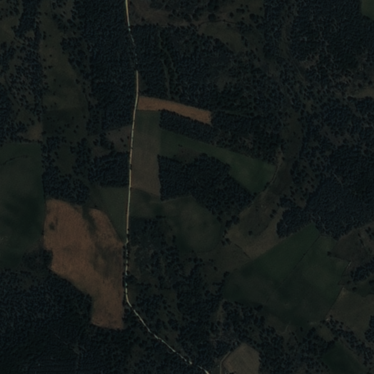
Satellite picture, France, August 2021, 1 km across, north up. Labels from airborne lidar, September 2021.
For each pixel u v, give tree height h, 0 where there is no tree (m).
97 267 0
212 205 14
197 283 14
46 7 0
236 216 8
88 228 0
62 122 0
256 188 0
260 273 0
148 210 0
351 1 10
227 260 0
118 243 0
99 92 15
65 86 0
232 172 0
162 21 0
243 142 8
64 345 13
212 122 10
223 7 0
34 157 0
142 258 0
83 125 0
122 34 15
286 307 0
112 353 8
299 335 0
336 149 7
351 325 0
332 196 15
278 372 15
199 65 12
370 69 0
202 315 17
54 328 12
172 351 14
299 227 15
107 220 0
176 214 0
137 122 0
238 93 11
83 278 0
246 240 0
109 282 0
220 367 0
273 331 18
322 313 0
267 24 16
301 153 13
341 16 13
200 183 20
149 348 10
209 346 15
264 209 0
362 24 11
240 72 9
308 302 0
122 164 17
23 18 14
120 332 12
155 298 15
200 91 17
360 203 15
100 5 16
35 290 7
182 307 20
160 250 0
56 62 0
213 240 0
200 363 17
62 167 0
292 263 0
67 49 16
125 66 16
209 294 8
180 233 0
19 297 10
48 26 0
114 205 0
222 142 11
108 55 16
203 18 0
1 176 0
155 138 0
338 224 16
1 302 11
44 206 0
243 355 0
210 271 0
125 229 0
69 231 0
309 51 8
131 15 0
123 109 14
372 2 0
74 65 14
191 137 12
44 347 13
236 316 11
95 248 0
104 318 0
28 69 11
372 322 12
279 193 0
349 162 17
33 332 12
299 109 16
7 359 13
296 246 0
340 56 14
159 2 0
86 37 17
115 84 15
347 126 16
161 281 19
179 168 14
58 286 12
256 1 0
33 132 0
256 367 0
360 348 14
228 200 17
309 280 0
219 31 0
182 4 12
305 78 0
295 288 0
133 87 15
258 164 0
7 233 0
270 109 11
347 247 0
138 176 0
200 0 9
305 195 11
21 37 10
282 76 10
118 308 0
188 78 15
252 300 0
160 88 14
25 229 0
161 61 9
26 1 17
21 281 7
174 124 13
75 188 8
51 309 20
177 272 9
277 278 0
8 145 0
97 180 14
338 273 0
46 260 10
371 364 8
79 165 15
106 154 0
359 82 0
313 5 8
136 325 19
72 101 0
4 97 15
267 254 0
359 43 13
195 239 0
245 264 0
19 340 16
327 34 11
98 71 14
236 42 0
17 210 0
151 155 0
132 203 0
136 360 0
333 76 12
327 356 0
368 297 0
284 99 8
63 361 12
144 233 15
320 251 0
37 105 12
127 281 12
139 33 17
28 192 0
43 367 11
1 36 0
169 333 0
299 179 9
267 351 18
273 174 0
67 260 0
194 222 0
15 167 0
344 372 0
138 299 11
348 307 0
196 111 0
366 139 14
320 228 15
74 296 14
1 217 0
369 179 14
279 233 14
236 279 0
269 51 13
